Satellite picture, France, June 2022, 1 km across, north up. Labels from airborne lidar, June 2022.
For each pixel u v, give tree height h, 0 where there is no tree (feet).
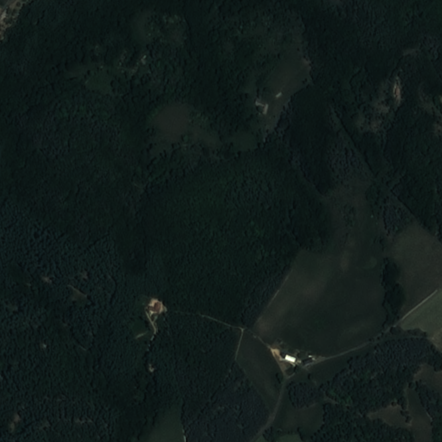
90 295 89
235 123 36
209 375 59
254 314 47
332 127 54
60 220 54
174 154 28
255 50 32
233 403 46
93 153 65
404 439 41
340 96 55
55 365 60
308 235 46
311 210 59
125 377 71
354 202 0
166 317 52
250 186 66
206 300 44
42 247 113
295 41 17
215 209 68
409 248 0
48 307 84
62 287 106
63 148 62
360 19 28
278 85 0
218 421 56
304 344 0
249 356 0
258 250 29
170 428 0
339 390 27
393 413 0
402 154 32
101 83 0
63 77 67
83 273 90
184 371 64
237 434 60
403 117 50
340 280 0
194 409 55
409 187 47
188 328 40
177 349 51
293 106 42
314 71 38
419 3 45
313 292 0
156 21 33
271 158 65
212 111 31
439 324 0
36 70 81
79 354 56
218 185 58
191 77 52
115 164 54
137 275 67
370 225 0
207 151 53
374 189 32
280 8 28
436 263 0
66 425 48
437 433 31
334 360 0
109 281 79
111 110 68
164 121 0
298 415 0
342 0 22
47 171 69
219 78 35
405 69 46
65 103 63
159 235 69
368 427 43
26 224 107
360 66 37
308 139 61
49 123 67
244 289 40
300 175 38
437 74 50
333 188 39
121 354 84
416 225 0
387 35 44
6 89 88
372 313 0
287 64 0
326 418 42
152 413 43
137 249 69
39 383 66
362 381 43
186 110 0
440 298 0
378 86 26
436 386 0
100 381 93
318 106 50
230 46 0
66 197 34
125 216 73
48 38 82
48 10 64
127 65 25
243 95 39
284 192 64
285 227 46
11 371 74
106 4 76
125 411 77
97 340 55
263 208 29
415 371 43
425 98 22
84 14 90
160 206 65
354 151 59
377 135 31
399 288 63
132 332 90
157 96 30
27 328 98
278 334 0
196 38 91
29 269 107
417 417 0
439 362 46
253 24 21
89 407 71
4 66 82
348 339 0
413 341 43
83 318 110
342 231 0
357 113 41
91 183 62
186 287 24
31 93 57
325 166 55
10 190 63
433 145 57
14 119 67
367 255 0
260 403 51
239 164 51
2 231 110
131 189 56
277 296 0
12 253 110
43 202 56
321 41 70
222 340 49
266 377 0
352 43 60
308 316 0
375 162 69
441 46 39
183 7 42
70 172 65
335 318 0
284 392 0
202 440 52
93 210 64
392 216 40
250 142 0
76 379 69
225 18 55
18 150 110
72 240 68
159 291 75
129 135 70
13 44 76
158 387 64
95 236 64
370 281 0
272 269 39
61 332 83
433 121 55
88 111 47
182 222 51
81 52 61
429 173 50
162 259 46
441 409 57
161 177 35
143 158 75
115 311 111
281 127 54
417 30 53
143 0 39
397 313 52
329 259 0
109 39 55
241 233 37
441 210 53
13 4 0
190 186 59
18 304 44
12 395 70
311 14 91
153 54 59
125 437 53
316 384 0
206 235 33
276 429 24
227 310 31
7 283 115
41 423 96
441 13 49
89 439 48
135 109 68
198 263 52
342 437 60
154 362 93
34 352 54
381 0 67
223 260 41
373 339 38
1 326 115
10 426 43
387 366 48
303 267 0
